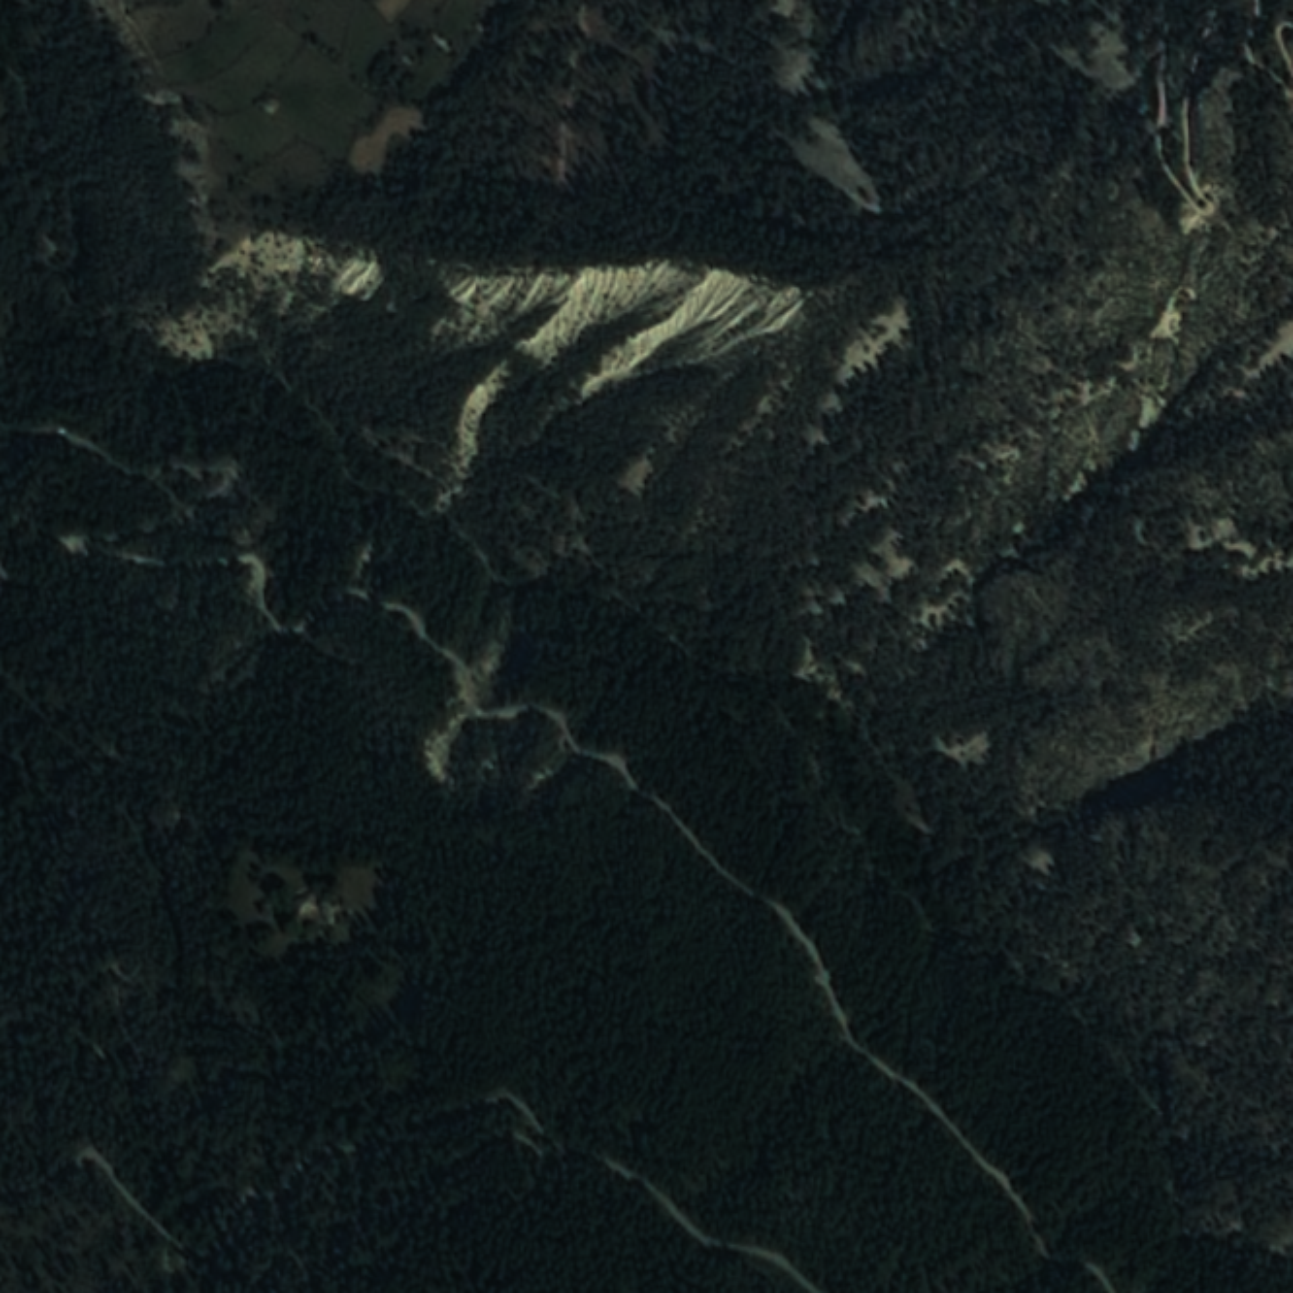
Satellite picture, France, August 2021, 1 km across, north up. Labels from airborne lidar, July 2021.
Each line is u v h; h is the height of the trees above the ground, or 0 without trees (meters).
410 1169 22
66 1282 27
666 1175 20
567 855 17
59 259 8
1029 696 6
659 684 22
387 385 7
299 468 16
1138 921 13
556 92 18
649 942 17
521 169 12
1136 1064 11
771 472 17
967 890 16
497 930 16
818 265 14
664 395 8
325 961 15
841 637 10
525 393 10
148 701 14
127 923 16
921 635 6
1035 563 12
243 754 25
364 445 15
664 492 9
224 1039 14
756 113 15
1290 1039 10
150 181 9
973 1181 14
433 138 11
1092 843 8
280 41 0
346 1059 20
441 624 14
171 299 6
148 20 0
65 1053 19
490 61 11
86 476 7
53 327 17
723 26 12
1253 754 13
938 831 16
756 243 20
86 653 18
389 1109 17
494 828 17
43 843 19
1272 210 8
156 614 7
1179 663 7
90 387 11
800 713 11
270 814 20
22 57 9
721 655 8
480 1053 19
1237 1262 9
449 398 8
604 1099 23
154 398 16
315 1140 21
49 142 17
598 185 21
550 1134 8
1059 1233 18
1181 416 9
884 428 15
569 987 24
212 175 0
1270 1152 8
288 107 0
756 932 18
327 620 7
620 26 12
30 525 12
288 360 11
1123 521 10
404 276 7
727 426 9
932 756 7
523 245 15
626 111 17
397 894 13
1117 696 9
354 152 0
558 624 10
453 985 21
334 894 18
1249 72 8
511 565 13
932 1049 8
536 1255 21
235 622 10
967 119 9
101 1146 18
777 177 15
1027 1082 15
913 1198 17
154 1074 16
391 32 0
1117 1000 10
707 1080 16
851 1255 18
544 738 9
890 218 8
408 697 10
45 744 23
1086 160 10
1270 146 8
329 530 14
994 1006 18
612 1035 23
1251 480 8
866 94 7
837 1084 18
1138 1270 18
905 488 10
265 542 8
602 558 14
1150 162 8
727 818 23
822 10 9
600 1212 15
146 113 7
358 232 11
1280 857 11
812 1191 17
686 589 15
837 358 8
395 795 15
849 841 16
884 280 13
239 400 17
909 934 23
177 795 13
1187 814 9
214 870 27
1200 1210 13
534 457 10
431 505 8
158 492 10
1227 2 10
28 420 10
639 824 14
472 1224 16
